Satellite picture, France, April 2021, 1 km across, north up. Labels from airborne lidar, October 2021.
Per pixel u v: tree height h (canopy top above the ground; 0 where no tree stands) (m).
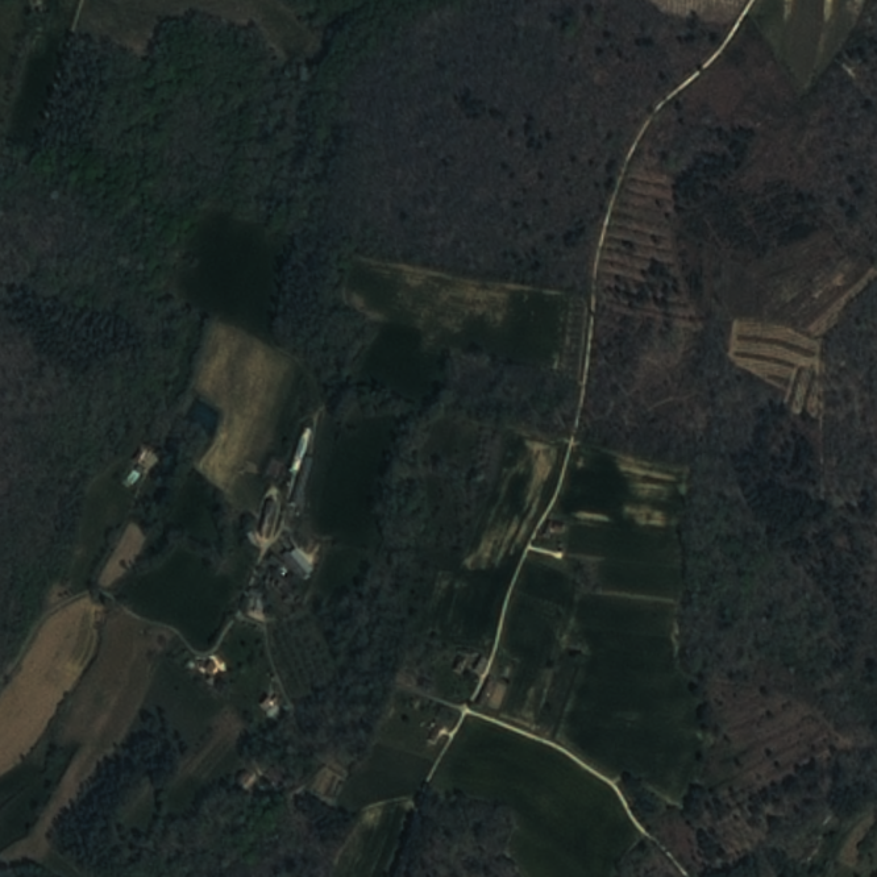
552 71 7
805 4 0
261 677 0
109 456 15
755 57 0
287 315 15
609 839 0
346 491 0
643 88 7
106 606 29
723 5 0
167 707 0
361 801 0
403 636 13
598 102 7
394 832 0
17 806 0
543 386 13
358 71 18
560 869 0
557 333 0
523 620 0
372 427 0
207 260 0
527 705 0
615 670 0
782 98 0
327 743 26
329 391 11
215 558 20
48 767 7
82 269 24
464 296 0
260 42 22
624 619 0
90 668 0
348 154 16
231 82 22
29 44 17
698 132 10
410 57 21
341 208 15
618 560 0
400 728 0
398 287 0
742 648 10
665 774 0
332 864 7
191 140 20
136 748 11
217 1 0
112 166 22
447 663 7
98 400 27
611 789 0
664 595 0
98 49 25
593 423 10
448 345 0
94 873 14
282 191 19
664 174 10
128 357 23
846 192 16
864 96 9
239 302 0
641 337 9
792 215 6
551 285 13
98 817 13
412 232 16
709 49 6
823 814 16
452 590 0
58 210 19
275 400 0
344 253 20
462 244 14
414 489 16
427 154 9
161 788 15
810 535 16
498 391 21
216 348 0
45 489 16
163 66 25
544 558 0
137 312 23
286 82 17
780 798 14
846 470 9
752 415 12
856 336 6
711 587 21
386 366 0
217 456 0
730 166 14
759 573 20
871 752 7
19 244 25
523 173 9
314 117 16
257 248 0
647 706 0
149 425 15
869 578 14
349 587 0
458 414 16
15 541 19
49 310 18
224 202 22
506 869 18
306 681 9
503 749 0
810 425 13
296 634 12
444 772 0
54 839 10
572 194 7
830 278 20
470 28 9
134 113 24
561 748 0
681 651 7
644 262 11
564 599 0
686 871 16
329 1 22
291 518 13
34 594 18
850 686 7
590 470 0
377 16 22
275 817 26
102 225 19
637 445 10
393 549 17
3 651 14
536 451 0
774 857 19
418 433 22
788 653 11
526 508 0
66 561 19
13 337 14
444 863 17
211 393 0
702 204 12
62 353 27
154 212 22
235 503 0
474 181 11
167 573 0
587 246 8
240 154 24
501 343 0
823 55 0
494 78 8
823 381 14
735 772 8
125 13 0
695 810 17
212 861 19
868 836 12
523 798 0
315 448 0
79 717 0
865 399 13
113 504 0
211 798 18
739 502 15
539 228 9
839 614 11
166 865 21
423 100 9
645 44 7
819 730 6
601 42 7
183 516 0
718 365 14
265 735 8
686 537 19
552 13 11
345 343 20
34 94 0
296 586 10
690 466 13
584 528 0
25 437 19
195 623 0
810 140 0
